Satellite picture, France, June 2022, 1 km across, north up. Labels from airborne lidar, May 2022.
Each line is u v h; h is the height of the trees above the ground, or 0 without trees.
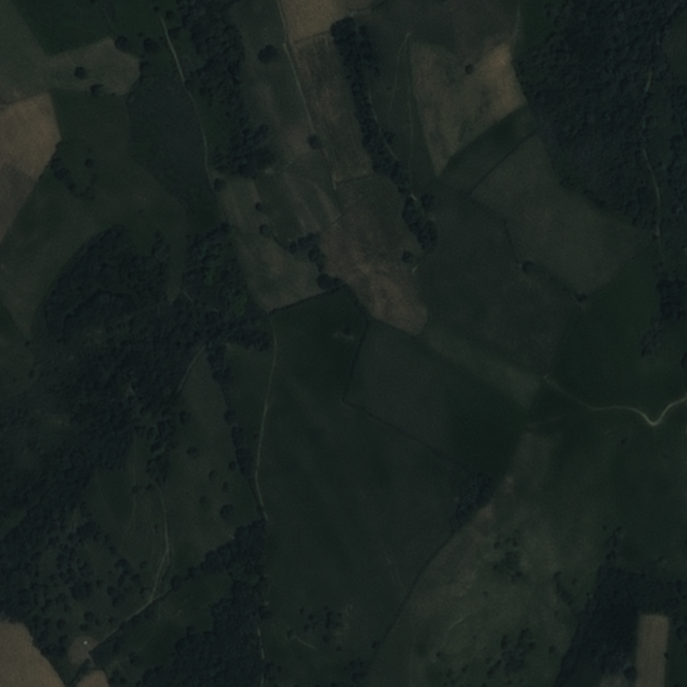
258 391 0
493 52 0
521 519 0
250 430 0
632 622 18
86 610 0
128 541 0
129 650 0
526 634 13
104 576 0
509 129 0
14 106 0
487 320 0
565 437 0
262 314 6
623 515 0
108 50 0
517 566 16
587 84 12
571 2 9
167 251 8
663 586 14
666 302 9
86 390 10
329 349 0
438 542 0
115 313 22
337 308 0
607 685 0
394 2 0
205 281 14
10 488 7
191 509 0
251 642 15
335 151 0
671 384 0
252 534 17
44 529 13
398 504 0
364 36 14
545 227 0
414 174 0
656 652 0
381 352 0
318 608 0
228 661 23
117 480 0
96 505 0
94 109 0
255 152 10
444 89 0
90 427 9
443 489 0
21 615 7
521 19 0
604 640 9
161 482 11
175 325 9
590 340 0
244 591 16
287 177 0
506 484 0
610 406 0
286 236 0
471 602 0
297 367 0
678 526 0
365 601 0
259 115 0
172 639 0
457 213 0
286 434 0
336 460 0
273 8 0
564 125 10
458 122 0
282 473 0
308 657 0
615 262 0
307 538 0
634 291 0
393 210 0
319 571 0
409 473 0
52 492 8
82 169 0
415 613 0
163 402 8
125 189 0
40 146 0
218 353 15
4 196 0
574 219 0
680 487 0
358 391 0
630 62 15
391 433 0
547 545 0
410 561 0
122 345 9
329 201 0
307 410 0
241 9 0
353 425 0
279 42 0
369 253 0
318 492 0
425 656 0
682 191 9
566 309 0
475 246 0
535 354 0
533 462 0
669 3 15
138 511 0
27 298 0
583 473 0
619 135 15
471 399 0
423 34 0
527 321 0
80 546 12
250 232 0
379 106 0
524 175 0
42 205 0
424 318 0
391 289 0
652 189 10
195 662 23
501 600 0
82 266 16
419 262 0
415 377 0
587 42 14
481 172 0
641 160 16
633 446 0
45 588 9
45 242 0
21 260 0
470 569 0
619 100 8
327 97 0
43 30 0
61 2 0
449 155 0
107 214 0
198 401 0
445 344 0
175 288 0
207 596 0
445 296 0
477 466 0
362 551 0
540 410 0
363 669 10
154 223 0
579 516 0
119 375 17
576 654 15
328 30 0
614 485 0
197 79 10
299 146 0
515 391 0
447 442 0
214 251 23
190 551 0
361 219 0
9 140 0
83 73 15
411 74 0
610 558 12
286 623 0
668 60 9
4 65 0
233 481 0
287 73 0
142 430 12
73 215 0
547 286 0
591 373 0
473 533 0
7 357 0
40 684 0
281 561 0
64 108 0
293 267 0
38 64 0
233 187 0
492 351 0
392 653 0
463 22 0
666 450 0
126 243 8
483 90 0
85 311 22
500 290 0
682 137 12
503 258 0
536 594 0
